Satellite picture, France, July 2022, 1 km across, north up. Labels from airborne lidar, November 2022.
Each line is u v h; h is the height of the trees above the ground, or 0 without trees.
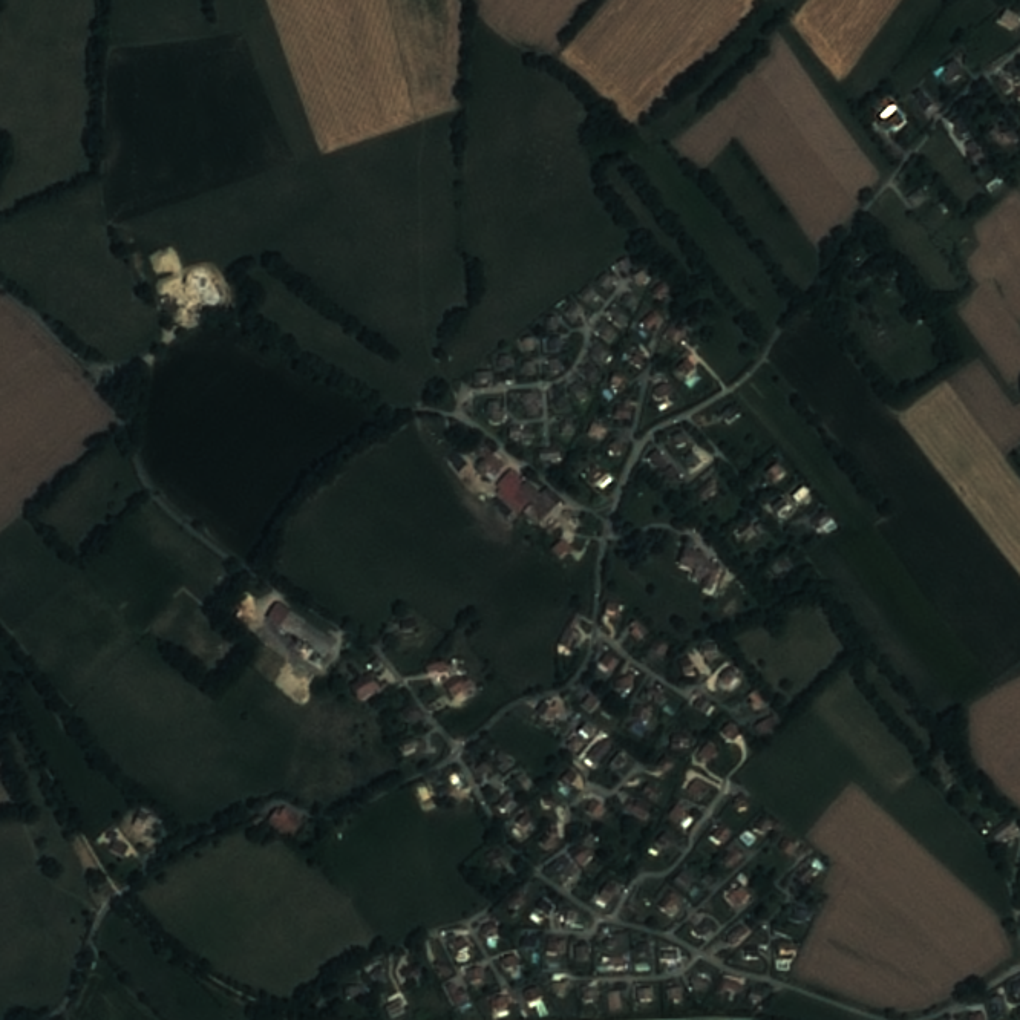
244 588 18
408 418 13
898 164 10
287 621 0
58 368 0
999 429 0
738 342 0
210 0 13
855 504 0
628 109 0
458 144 15
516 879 10
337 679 12
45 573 0
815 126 0
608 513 0
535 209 0
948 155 0
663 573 0
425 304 0
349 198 0
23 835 0
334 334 0
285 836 8
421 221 0
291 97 0
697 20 0
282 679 0
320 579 0
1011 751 0
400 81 0
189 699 0
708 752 0
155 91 0
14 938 0
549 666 0
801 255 0
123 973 10
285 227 0
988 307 0
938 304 17
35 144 0
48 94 0
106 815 0
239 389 0
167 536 0
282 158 0
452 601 0
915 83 0
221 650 0
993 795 19
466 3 12
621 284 0
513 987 12
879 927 0
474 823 0
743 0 0
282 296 0
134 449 15
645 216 0
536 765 0
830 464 0
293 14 0
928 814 0
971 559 0
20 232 0
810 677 0
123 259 14
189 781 0
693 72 13
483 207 0
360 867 0
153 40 0
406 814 0
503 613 0
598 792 0
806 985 0
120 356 0
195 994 0
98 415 0
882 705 14
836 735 0
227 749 0
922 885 0
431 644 0
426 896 0
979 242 0
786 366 0
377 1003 6
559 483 13
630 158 14
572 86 14
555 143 0
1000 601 0
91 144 19
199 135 0
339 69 0
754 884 11
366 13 0
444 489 0
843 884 0
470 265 10
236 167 0
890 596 0
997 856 19
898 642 0
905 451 0
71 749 0
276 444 0
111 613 0
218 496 0
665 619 0
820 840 0
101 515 0
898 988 0
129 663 0
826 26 0
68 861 0
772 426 0
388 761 0
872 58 0
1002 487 0
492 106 0
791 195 0
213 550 0
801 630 0
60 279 0
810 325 0
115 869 13
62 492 12
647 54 0
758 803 0
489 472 0
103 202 0
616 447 0
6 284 12
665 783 0
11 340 0
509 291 0
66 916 0
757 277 0
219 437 0
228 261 0
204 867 0
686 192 0
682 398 0
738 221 16
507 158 0
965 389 0
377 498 0
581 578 0
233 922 0
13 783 20
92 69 9
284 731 0
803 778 0
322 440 0
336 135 0
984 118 9
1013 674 0
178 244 0
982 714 0
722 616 0
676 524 11
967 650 0
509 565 0
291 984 0
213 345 0
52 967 0
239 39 0
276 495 0
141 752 0
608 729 0
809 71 0
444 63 0
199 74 0
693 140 0
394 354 18
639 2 0
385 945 12
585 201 0
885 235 12
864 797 0
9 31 0
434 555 0
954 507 0
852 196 0
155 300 12
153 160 0
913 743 17
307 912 0
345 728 0
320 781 0
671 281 7
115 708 0
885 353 0
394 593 0
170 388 0
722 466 14
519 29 0
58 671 0
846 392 0
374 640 7
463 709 0
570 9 0
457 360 0
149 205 0
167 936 14
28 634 0
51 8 0
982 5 0
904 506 0
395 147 0
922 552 0
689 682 7
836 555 0
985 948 0
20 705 18
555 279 0
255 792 0
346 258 0
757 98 0
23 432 0
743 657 15
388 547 0
